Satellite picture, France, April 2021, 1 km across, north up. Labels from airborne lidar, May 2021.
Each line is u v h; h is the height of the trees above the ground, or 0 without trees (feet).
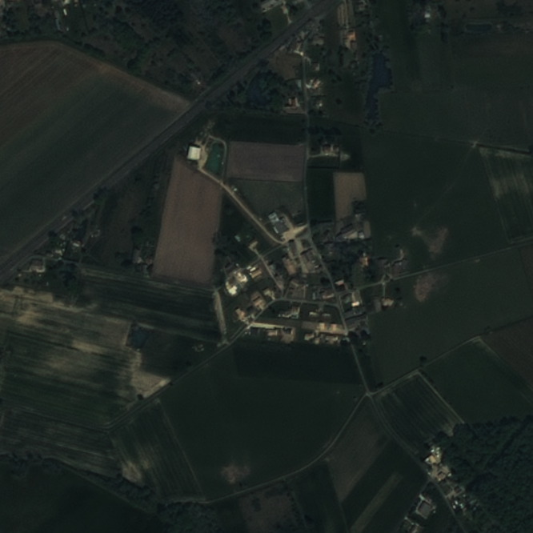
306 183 0
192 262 0
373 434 0
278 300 0
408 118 0
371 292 0
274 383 0
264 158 0
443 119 0
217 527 20
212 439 0
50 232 0
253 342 0
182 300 0
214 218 0
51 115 0
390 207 0
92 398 0
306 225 0
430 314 0
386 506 0
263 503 0
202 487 0
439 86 0
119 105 0
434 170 0
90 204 0
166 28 49
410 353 0
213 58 0
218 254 38
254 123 0
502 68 0
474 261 0
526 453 50
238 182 0
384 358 0
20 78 0
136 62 39
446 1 0
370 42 33
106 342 0
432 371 0
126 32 64
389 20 0
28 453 0
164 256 0
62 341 0
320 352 0
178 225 0
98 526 0
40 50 0
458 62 0
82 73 0
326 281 35
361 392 0
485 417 0
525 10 0
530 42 0
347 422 0
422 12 25
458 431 41
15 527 0
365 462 0
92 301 0
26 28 0
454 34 0
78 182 0
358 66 27
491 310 0
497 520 56
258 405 0
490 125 0
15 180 0
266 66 63
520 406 0
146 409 0
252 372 0
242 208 0
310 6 0
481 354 0
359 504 0
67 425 0
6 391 0
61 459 0
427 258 0
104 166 0
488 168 0
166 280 0
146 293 0
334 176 0
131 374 0
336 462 0
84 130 0
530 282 0
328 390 0
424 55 0
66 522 0
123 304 0
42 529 0
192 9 38
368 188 0
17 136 0
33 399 0
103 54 39
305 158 0
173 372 0
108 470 0
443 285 0
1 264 0
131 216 0
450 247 0
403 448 0
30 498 0
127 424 0
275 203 0
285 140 0
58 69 0
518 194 0
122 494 48
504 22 0
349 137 0
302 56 0
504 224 0
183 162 0
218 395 0
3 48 0
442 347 0
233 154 0
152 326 0
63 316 0
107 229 0
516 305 0
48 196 0
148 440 0
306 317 0
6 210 0
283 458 0
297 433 0
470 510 65
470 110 0
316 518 0
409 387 0
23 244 0
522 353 0
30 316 0
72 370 0
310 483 0
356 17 22
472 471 55
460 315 0
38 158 0
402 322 0
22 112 0
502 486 74
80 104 0
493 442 51
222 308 0
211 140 0
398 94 0
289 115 0
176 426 0
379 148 0
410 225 0
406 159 0
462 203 0
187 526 46
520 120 0
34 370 0
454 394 0
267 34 60
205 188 0
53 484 0
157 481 0
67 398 0
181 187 0
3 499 0
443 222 0
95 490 0
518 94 0
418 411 0
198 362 0
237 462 0
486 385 0
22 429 0
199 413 0
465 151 0
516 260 0
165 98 0
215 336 0
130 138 0
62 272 22
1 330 0
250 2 0
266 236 0
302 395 0
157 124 0
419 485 0
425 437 0
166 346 0
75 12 0
